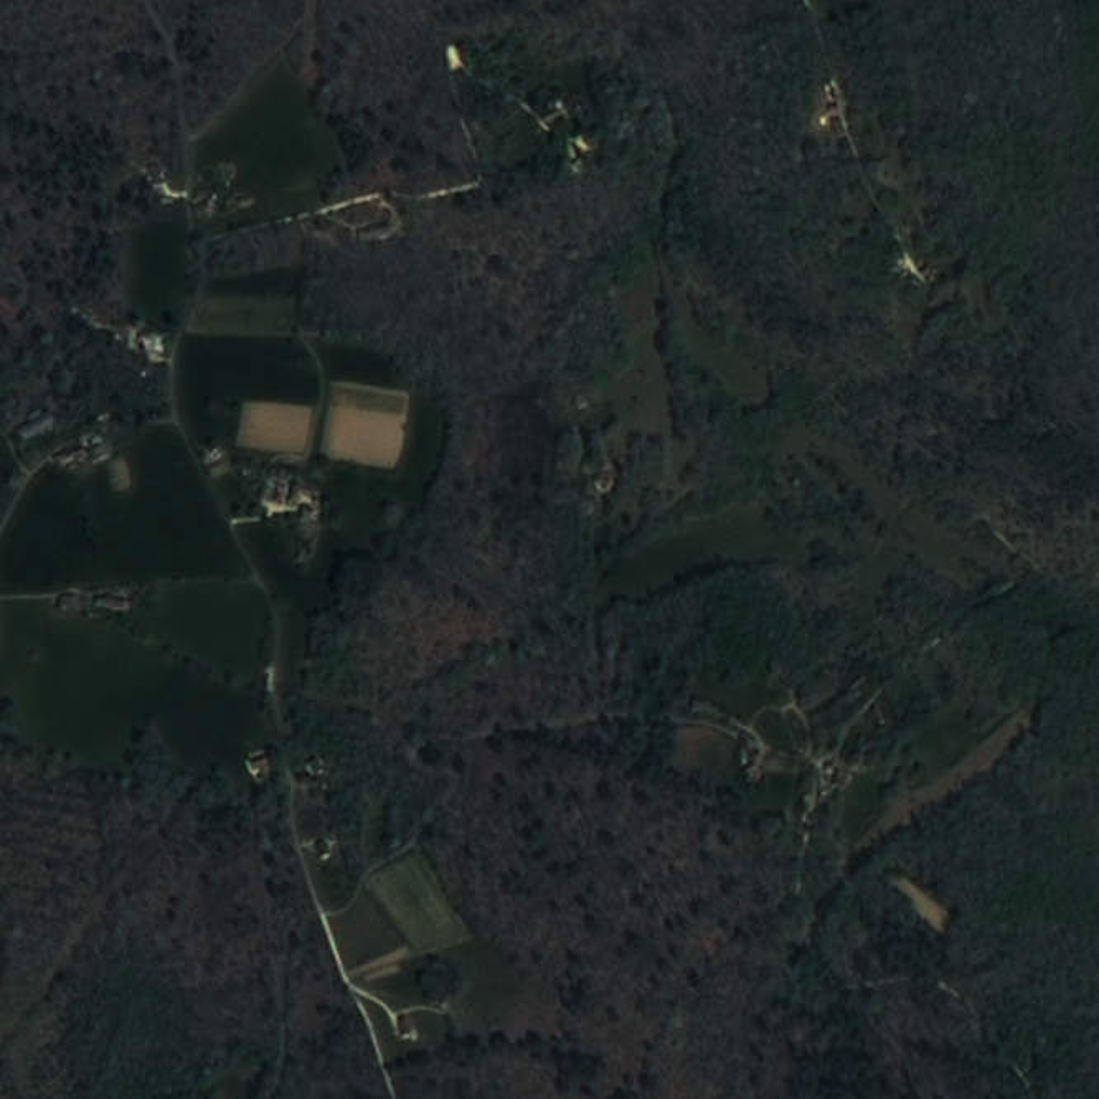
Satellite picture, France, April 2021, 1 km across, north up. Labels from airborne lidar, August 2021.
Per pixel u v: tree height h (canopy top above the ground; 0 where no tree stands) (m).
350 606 23
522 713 12
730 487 18
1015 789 13
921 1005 14
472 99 18
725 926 10
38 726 0
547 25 17
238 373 0
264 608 0
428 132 15
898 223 6
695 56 19
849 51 21
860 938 21
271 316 0
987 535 14
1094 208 24
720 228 14
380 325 16
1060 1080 22
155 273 0
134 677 0
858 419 19
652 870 12
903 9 19
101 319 11
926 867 19
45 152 8
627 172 13
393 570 22
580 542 23
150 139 9
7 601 0
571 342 20
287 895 13
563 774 10
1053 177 20
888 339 13
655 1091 23
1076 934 20
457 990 15
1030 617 15
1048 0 21
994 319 19
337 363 0
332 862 6
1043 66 21
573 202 22
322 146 0
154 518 0
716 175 16
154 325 8
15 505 13
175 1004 15
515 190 25
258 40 9
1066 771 13
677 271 16
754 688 0
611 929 11
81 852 7
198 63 17
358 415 0
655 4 20
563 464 17
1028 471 17
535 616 18
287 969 12
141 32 7
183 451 0
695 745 0
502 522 17
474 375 15
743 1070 9
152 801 19
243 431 0
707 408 10
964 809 18
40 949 16
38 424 0
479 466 10
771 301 13
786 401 16
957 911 20
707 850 19
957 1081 29
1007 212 20
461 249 6
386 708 16
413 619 20
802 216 20
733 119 23
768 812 0
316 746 16
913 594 13
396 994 0
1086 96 20
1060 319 20
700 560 0
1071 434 14
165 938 13
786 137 22
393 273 9
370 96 19
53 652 0
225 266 14
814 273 16
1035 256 18
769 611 21
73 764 12
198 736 0
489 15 20
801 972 22
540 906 9
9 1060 13
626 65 18
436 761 9
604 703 12
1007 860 23
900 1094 10
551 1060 10
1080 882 19
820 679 14
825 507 6
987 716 17
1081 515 9
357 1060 9
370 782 15
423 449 0
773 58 20
